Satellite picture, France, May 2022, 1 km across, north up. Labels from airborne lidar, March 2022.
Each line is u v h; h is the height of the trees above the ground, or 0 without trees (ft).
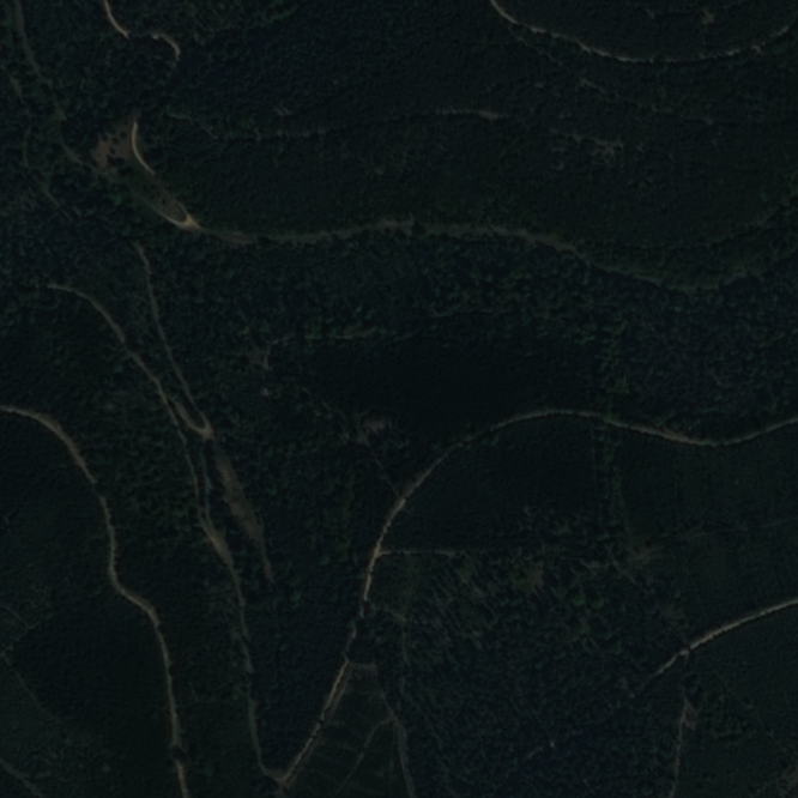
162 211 0
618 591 31
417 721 22
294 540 54
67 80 77
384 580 35
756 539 27
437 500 31
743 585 22
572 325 101
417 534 39
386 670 31
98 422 36
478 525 37
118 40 119
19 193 110
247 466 46
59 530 34
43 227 96
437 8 68
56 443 33
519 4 50
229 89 80
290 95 75
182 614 24
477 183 54
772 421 31
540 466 23
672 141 47
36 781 29
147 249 105
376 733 0
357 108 65
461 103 49
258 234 39
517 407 41
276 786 63
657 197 40
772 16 34
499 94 48
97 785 32
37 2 21
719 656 18
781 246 92
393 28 76
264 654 45
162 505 47
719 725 69
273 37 91
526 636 96
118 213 115
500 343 39
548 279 35
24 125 73
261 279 24
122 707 30
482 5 54
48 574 26
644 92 57
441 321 20
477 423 34
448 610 100
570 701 108
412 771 42
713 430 32
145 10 102
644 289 40
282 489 26
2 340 45
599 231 43
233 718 27
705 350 76
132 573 29
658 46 62
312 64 92
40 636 25
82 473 24
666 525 22
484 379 51
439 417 50
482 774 98
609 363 83
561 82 53
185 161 50
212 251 77
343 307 26
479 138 51
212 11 110
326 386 45
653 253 44
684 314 115
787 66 80
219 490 78
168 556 24
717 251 61
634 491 24
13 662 20
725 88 71
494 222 56
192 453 52
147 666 30
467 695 94
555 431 35
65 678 38
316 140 66
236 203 57
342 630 49
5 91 26
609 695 93
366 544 33
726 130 56
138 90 64
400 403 51
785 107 61
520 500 32
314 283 30
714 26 44
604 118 36
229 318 29
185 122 35
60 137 40
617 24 64
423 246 39
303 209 52
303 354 24
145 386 104
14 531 33
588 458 33
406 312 26
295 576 93
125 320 104
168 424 104
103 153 0
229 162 47
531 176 46
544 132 47
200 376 28
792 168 26
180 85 71
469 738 102
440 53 62
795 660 22
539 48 59
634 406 46
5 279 115
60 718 20
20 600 20
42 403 39
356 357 43
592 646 86
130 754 27
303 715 63
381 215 55
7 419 28
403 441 92
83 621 37
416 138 47
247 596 44
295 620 49
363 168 22
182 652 25
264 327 94
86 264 96
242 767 32
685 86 67
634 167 35
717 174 46
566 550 27
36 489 31
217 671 34
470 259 33
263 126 62
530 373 50
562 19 51
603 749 108
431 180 59
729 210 60
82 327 46
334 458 39
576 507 36
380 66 56
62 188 126
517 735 108
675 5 49
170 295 34
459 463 30
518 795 92
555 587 92
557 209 48
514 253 25
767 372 92
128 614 27
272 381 84
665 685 26
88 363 50
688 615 21
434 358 51
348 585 57
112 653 34
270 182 67
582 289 102
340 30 76
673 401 71
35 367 21
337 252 58
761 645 21
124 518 25
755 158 51
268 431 33
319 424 38
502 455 32
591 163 24
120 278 112
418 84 60
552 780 102
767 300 118
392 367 49
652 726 94
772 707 22
